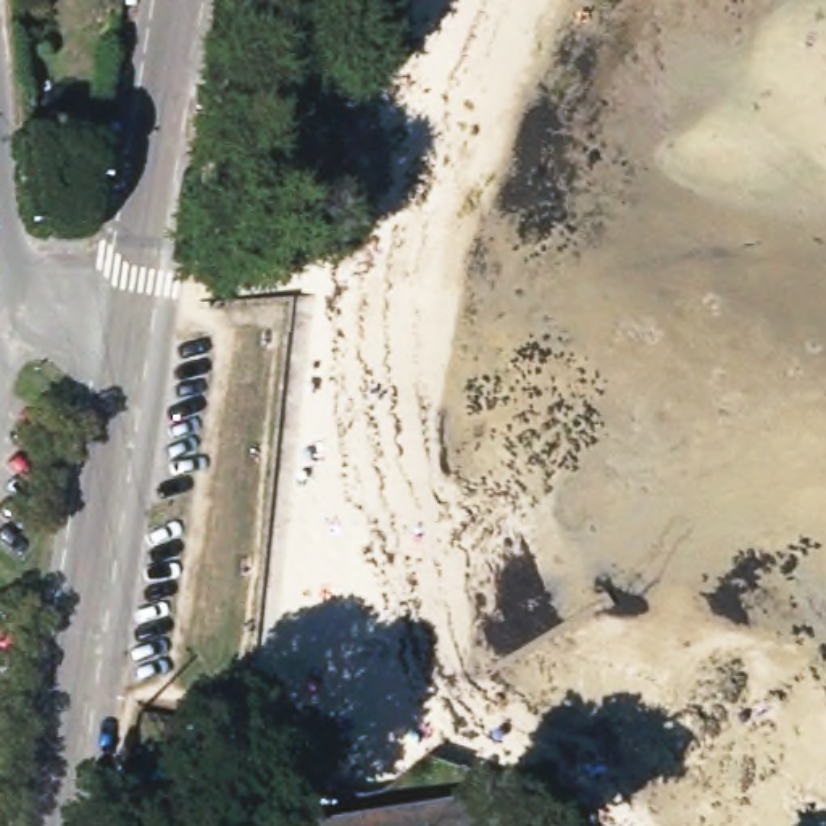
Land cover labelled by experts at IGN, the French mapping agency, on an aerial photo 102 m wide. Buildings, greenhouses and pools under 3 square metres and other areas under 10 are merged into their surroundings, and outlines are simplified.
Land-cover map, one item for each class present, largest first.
<instances>
[{"label":"bare soil","instance_id":"1","mask_svg":"<svg viewBox=\"0 0 826 826\"><path fill-rule=\"evenodd\" d=\"M397 100H390L381 110L384 139L397 152L394 165H365L355 177H342L348 194L371 200V207L384 219L378 223L371 242L352 252L342 265L316 261L290 281L297 290H303V300L294 342L271 590L265 610V623H271L274 632L265 645H255L245 655L252 661V671L258 674V687L284 681L307 710L326 716L342 729V739L336 742L326 761V774L332 778L336 794L319 797L326 820L355 810L448 797L442 784L397 787V781H403V774L426 752H436L442 761L465 768L478 755L497 758L500 765H513L516 784L542 781L555 800L578 807L581 826H826V0H455L452 13L442 19V26L426 39L419 52L407 58V65L397 71ZM536 100L552 103L558 113L561 136H571L568 161L578 168V181H555V187L565 197L568 219L555 223L552 232L542 239H519V219L513 213H500L497 194L513 165V139L519 119L526 106H532ZM529 552L558 610V626L510 655H497L487 645L481 626L497 613V574L503 561ZM745 552L771 555V568L758 571L755 590L742 594L749 623L736 626L716 616L707 600L720 587V578ZM597 578H610L616 587L645 597L649 610L639 616H616L610 597L594 590Z\"/></svg>","mask_w":826,"mask_h":826},{"label":"impervious surface","instance_id":"2","mask_svg":"<svg viewBox=\"0 0 826 826\"><path fill-rule=\"evenodd\" d=\"M129 19L136 23V87H142L155 103V129L148 136L142 181L110 219L90 239H35L26 232L13 184V132L23 126L26 113L19 103L13 65L10 0H0V500L16 490V474L23 471V461L16 458L13 429L23 416V407L13 384L19 368L39 358L52 361L65 378H74L90 390L119 387L126 394V410L110 419V439L97 442L90 445L84 468L68 458L55 461L58 471H65L61 497L68 523L52 536L55 574L26 571L16 581L19 590L39 597L45 610L58 613L61 629V639L52 636L39 655L42 681L35 690V713L42 716V736L35 742L39 771L32 778V826H61L65 803L90 797L77 787V765L97 758L103 768L126 771L139 781L145 768H155L161 761V749L155 739L165 732V726L155 723L139 703L152 700L171 707L184 694L174 684V674L184 661V636L194 607V574L203 549L210 503L207 494L210 474L216 471L219 458V416L229 390V365L236 348L232 332L239 326L271 329V342L265 348L268 384L258 442L252 558L245 571V616L239 636L242 655H245L255 645H265L274 632L271 623H265V610L271 590L294 342L303 300V290H297L290 281L239 287L232 303L213 307L210 290L200 281H177L174 274V226L184 168L190 161V142L197 132V90L203 81V42L213 23V0H126ZM187 490L190 529L187 539L177 542L181 526L171 523L165 529H152L148 510L158 503L161 494L174 497ZM455 0H410L397 10V16L407 23L410 42L419 52L426 39L442 26V19L452 13ZM13 510L0 507V549H26L29 539L19 529V523H10Z\"/></svg>","mask_w":826,"mask_h":826},{"label":"deciduous trees","instance_id":"3","mask_svg":"<svg viewBox=\"0 0 826 826\"><path fill-rule=\"evenodd\" d=\"M410 0H213V23L203 42V81L197 90V132L190 142V161L184 168L174 226V274L177 281H200L210 290L213 307L232 303L239 287L290 281L316 261L342 265L352 252L371 242L378 223L384 219L371 207V200L348 194L342 177H355L365 165H394L397 152L384 139L381 110L390 100H397V71L407 65V58L419 52L410 42L407 23L397 16V10ZM13 184L26 232L35 239H90L110 219L103 216V203L106 177L116 174L113 152L90 132V126L77 119H35L29 113H26L23 126L13 132ZM258 674L252 671V661L245 655H242L223 674L203 678L184 694L171 707L152 700L139 703L155 723L165 726V732L155 739L161 749V761L155 768H145L139 781L126 771L103 768L97 758L77 765V787L90 797L65 803L61 826H316L319 820H326L319 797L336 794L332 778L326 774V761L336 742L342 739V729L326 716L307 710L284 681L258 687ZM448 797L461 800V810L468 813L471 826H581L578 807L555 800L542 781L516 784L513 765H500L497 758L478 755L465 768L461 781L442 784Z\"/></svg>","mask_w":826,"mask_h":826},{"label":"herbaceous vegetation","instance_id":"4","mask_svg":"<svg viewBox=\"0 0 826 826\"><path fill-rule=\"evenodd\" d=\"M61 48L39 45V61L29 65L35 84V106L29 113L35 119H77L90 126V132L113 152L116 174L106 177L103 203V216L110 219L142 181L148 136L155 129V103L142 87H136V23L129 19L126 0H58ZM110 29H116L119 42L116 87L110 97H94L90 52L97 39ZM571 136H561L558 113L552 103L536 100L532 106H526L519 119L513 139V165L497 194L500 213H513L519 219V239H542L552 232L555 223L568 219L565 197L555 187V181H578V168L568 161ZM236 348L229 365V390L219 416V458L216 471L210 474L207 494L210 503L203 549L194 574V607L184 636V661L174 674V684L184 694L203 678L223 674L242 655L239 636L245 616V571L252 558L258 442L268 384L265 348L271 342V329L239 326L232 332ZM23 407L48 394L52 403L97 413V442L110 439V419L126 410V394L119 387L90 390L74 378H65L52 361L39 358L19 368L13 384ZM187 490L174 497L161 494L158 503L148 510L152 529H165L171 523L181 526L177 542L187 539L190 529ZM26 571L55 574L52 536L39 532L35 539H29L26 549H0V584L16 581ZM558 626V610L529 552L503 561L497 574V613L481 626L487 645L497 655H510ZM771 568V555L745 552L720 578V587L707 600L716 616L736 626L749 623L742 594L755 590L758 571ZM594 590L610 597L616 616H639L649 610L645 597L616 587L610 578H597ZM465 768L442 761L436 752H426L403 774V781H397V787L442 784L461 781Z\"/></svg>","mask_w":826,"mask_h":826},{"label":"brushwood","instance_id":"5","mask_svg":"<svg viewBox=\"0 0 826 826\"><path fill-rule=\"evenodd\" d=\"M13 65L19 103L26 113H29L35 106V84L29 65L39 61V45L61 48L58 0H10ZM94 97H110L116 87L119 42L116 29H110L97 39L90 52ZM97 413L52 403L48 394L23 407V416L13 429L16 458L23 461V471L16 474V490L0 500V507L13 510L10 523H19V529L29 539H35L39 532L52 536L68 523L61 497L65 471H58L55 461L68 458L84 468L90 445L97 442ZM52 636L61 639V629L58 613L45 610L39 597L19 590L16 581L0 584V826H32V778L39 771L35 742L42 736V716L35 713V690L42 681L39 655Z\"/></svg>","mask_w":826,"mask_h":826},{"label":"building","instance_id":"6","mask_svg":"<svg viewBox=\"0 0 826 826\"><path fill-rule=\"evenodd\" d=\"M316 826H471L468 813L461 810V800L448 797L355 810L326 820H319Z\"/></svg>","mask_w":826,"mask_h":826}]
</instances>
